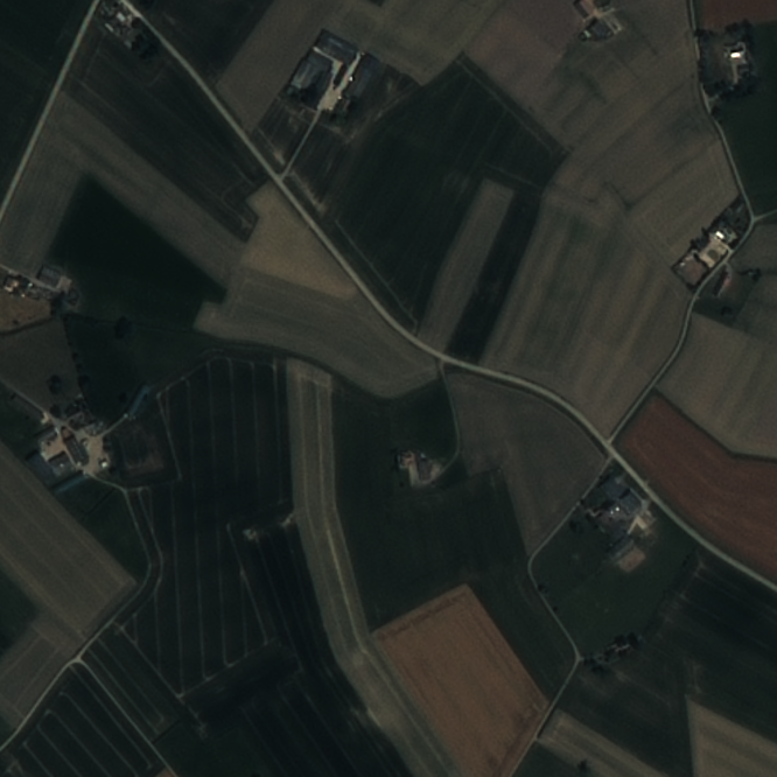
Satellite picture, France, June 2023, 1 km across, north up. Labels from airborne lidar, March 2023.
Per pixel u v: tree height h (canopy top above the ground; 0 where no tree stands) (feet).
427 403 0
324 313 0
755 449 0
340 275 0
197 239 0
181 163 0
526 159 0
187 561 0
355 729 0
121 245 0
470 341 0
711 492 0
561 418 0
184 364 0
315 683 0
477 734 0
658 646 0
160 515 0
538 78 0
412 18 0
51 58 0
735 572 0
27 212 0
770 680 0
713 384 0
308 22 0
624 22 0
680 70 0
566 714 0
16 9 0
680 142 0
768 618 0
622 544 0
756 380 0
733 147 0
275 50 0
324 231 0
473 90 0
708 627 0
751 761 0
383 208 0
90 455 0
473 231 0
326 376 0
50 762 0
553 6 0
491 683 0
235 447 0
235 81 0
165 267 0
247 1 0
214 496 0
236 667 0
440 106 0
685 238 0
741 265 0
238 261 0
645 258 0
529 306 0
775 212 0
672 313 0
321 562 0
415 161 0
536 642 0
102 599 0
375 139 0
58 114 0
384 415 0
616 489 0
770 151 0
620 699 0
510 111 0
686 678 0
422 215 0
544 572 0
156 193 0
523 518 0
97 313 0
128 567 0
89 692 0
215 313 0
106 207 0
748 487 0
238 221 0
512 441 0
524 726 0
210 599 0
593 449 0
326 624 0
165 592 0
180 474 0
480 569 0
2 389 0
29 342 0
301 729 0
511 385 0
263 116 0
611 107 0
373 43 0
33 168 0
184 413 0
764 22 0
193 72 0
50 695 0
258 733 0
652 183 0
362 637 0
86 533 0
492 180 0
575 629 0
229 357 0
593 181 0
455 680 0
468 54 0
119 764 0
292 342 0
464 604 0
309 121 0
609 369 0
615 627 0
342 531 0
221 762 0
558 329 0
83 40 0
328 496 0
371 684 0
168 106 0
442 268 0
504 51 0
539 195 0
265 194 0
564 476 0
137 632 0
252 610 0
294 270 0
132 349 0
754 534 0
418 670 0
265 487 0
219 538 0
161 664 0
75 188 0
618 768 0
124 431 0
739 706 0
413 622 0
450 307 0
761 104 0
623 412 0
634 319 0
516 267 0
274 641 0
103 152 0
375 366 0
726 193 0
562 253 0
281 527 0
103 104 0
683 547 0
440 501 0
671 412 0
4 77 0
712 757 0
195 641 0
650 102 0
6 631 0
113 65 0
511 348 0
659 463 0
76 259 0
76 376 0
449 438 0
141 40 42
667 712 0
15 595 0
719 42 0
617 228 0
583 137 0
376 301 0
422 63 0
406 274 0
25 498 0
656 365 0
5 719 0
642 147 0
